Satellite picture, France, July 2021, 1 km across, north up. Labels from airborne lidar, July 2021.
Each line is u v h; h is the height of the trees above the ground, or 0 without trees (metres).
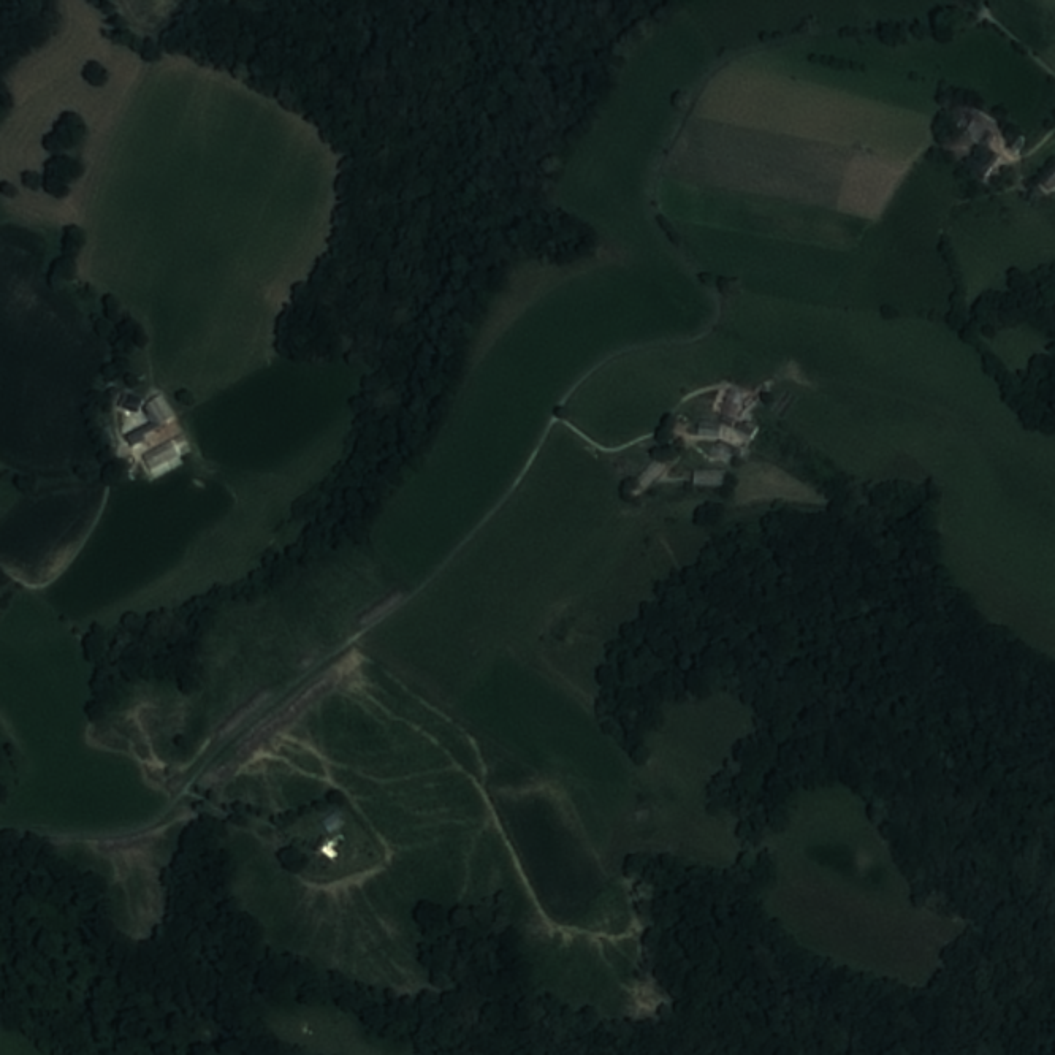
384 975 0
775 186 0
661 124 0
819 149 0
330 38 24
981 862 24
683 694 24
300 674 0
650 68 0
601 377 0
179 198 0
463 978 20
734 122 0
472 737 0
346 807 8
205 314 0
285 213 0
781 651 37
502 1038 25
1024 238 0
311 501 9
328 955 0
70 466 0
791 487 0
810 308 0
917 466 0
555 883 0
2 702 0
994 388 0
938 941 0
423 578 0
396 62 25
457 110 24
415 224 29
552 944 0
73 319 0
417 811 0
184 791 0
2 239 0
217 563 0
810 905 0
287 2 26
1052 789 10
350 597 0
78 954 39
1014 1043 22
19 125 0
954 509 0
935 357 0
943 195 0
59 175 23
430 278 23
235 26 23
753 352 0
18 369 0
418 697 0
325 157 0
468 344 16
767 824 14
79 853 0
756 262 0
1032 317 10
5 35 20
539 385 0
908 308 0
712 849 0
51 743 0
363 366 17
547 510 0
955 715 30
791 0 0
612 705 18
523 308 0
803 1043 11
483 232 27
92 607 0
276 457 0
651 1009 0
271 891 0
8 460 0
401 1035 22
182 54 24
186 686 21
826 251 0
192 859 29
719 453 0
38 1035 23
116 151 0
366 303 20
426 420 25
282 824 15
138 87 0
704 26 0
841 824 0
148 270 0
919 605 27
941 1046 26
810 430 0
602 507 0
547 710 0
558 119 19
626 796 0
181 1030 32
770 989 27
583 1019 17
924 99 0
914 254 0
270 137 0
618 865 0
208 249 0
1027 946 21
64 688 0
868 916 0
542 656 0
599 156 0
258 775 0
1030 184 8
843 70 8
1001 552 0
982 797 27
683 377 0
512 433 0
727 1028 29
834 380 0
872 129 0
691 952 32
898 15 0
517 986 30
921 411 0
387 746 0
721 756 0
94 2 23
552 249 22
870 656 28
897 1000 26
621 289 0
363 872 0
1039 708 22
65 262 15
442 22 29
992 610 0
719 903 32
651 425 0
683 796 0
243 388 0
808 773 26
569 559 0
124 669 28
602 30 21
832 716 26
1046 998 27
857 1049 19
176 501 0
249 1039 33
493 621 0
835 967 21
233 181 0
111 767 0
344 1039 0
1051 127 11
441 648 0
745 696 24
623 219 0
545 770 0
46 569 0
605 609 0
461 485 0
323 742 0
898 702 26
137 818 0
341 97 28
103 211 0
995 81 0
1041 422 22
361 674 0
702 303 0
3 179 0
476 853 0
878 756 24
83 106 0
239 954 32
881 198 0
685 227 0
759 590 24
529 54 28
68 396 0
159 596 0
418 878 0
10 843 22
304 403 0
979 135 0
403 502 0
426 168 25
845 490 11
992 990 29
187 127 0
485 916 18
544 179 12
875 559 25
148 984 14
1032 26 0
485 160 26
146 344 14
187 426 0
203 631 26
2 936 9
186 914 32
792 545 23
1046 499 0
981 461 0
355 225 21
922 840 14
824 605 24
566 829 0
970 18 25
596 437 0
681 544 0
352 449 9
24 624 0
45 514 0
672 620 32
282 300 0
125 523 0
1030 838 12
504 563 0
